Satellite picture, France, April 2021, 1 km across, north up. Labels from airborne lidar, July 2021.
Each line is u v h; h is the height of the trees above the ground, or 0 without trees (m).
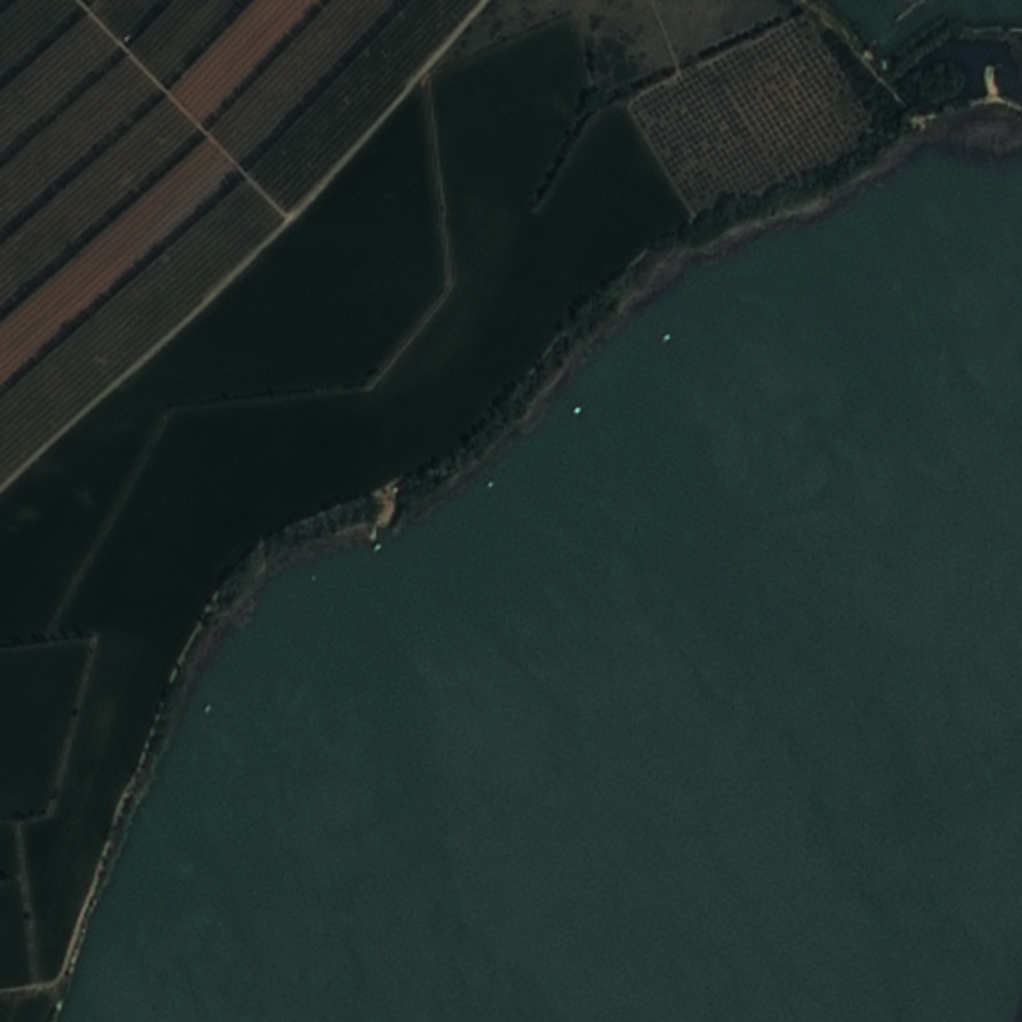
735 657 0
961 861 0
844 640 0
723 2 0
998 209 0
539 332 0
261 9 0
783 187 10
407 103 0
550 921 0
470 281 0
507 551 0
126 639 0
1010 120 0
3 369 0
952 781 0
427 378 0
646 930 0
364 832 0
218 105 0
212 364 0
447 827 0
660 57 0
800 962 0
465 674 0
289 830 0
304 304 0
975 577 0
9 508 0
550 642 0
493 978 0
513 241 0
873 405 0
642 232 0
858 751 0
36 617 0
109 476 0
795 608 0
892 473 0
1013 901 0
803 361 0
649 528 0
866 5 0
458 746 0
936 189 0
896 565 0
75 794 0
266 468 0
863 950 0
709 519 0
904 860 0
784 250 0
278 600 0
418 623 0
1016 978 0
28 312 0
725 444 0
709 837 0
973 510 0
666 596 0
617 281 15
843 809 0
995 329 0
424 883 0
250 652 0
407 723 0
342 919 0
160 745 12
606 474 0
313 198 0
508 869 0
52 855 0
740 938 0
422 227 0
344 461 0
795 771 0
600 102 14
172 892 0
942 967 0
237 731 0
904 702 0
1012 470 0
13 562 0
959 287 0
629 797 0
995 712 0
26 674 0
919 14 0
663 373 0
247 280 0
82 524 0
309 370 0
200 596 0
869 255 0
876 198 0
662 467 0
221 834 0
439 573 0
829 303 0
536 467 0
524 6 0
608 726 0
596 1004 0
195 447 0
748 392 0
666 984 0
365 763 0
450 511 0
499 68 0
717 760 0
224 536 0
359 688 0
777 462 0
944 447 0
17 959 0
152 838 0
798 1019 0
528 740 0
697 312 0
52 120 15
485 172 0
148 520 0
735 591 0
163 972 0
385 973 0
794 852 0
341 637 0
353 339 0
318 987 0
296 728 0
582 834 0
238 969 0
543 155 0
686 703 0
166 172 14
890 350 0
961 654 0
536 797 0
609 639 0
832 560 0
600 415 0
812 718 0
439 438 0
